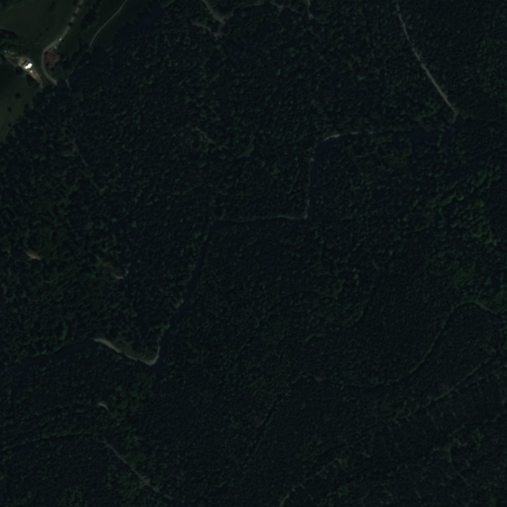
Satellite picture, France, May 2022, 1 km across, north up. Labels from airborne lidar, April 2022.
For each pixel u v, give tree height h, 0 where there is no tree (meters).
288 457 21
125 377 24
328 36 28
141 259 37
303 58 34
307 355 23
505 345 12
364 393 21
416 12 21
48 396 24
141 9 0
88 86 27
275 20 29
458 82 24
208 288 21
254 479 21
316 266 22
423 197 33
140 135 30
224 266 20
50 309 8
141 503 24
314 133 28
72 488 21
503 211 21
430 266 17
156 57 34
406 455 15
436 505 25
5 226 17
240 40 7
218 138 39
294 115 30
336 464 15
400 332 19
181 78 36
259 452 19
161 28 36
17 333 33
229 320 21
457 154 23
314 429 21
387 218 26
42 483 22
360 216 21
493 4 25
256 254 25
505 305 20
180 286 11
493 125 19
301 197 37
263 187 20
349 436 20
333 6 27
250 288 20
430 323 22
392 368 20
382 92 30
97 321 8
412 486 27
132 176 40
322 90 35
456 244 24
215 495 22
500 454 29
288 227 25
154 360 0
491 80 23
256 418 20
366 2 23
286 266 19
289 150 26
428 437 17
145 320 30
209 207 28
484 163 19
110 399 23
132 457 28
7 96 0
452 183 31
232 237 22
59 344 19
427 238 21
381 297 17
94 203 33
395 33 23
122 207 30
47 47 0
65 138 14
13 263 9
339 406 22
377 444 16
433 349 11
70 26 12
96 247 14
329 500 20
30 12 0
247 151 26
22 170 39
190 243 32
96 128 41
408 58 25
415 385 22
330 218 24
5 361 30
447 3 23
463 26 24
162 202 31
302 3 35
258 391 23
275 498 16
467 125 23
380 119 35
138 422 29
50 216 40
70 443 23
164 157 26
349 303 20
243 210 27
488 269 21
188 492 28
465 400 19
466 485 20
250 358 20
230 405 23
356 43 27
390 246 28
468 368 21
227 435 24
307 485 15
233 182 39
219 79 32
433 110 23
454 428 19
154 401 23
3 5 26
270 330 18
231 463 15
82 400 22
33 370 22
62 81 0
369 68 27
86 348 23
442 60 26
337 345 24
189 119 30
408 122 36
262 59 28
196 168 33
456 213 21
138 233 37
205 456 19
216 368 26
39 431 15
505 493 24
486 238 32
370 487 26
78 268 8
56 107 37
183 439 25
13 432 22
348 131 0
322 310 22
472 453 25
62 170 38
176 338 21
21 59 0
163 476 32
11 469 25
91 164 39
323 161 27
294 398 22
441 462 28
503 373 9
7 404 26
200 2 12
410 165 6
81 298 12
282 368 20
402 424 18
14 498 21
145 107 30
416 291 18
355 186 24
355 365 17
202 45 36
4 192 38
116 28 0
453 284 16
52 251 13
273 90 21
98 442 22
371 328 23
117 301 7
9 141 0
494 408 18
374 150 15
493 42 22
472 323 20
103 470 22
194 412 23
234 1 14
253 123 33
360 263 25
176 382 24
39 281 8
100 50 0
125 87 31
